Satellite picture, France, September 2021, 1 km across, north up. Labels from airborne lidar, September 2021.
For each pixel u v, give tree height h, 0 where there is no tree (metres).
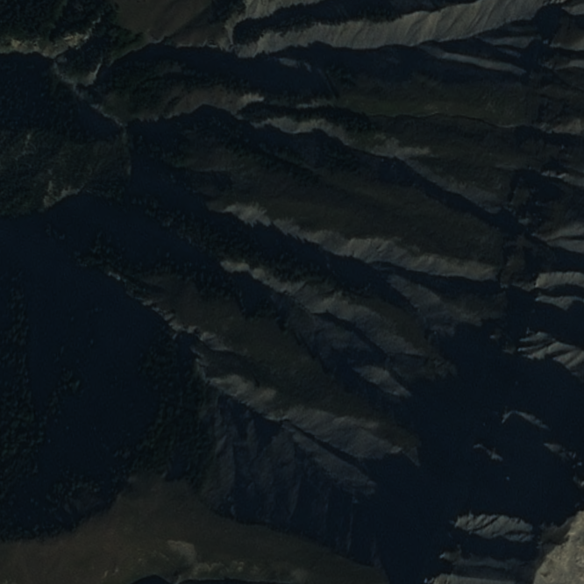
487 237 0
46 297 18
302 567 0
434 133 0
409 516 0
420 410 0
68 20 27
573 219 0
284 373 0
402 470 0
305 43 0
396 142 0
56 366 14
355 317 0
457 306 0
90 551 0
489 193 0
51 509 9
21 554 0
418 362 0
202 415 0
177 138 6
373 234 0
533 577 0
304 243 0
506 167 0
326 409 0
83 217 8
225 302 8
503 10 0
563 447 0
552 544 0
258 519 0
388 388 0
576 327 0
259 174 0
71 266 16
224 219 6
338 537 0
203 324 0
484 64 0
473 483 0
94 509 0
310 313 0
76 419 6
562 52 0
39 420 10
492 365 0
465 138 0
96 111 0
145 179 0
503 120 0
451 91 0
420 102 0
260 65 0
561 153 0
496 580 0
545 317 0
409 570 0
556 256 0
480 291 0
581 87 0
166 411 7
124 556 0
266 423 0
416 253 0
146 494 0
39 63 8
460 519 0
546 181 0
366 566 0
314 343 0
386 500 0
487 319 0
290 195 0
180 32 0
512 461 0
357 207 0
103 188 6
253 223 0
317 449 0
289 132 0
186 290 0
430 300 0
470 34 0
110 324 0
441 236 0
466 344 0
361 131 8
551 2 0
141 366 12
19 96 6
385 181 0
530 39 0
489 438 0
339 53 0
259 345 0
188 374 8
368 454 0
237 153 10
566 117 0
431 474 0
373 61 0
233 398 0
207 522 0
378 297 0
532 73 0
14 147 6
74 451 8
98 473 8
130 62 10
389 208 0
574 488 0
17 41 22
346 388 0
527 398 0
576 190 0
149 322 6
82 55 7
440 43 0
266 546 0
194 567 0
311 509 0
